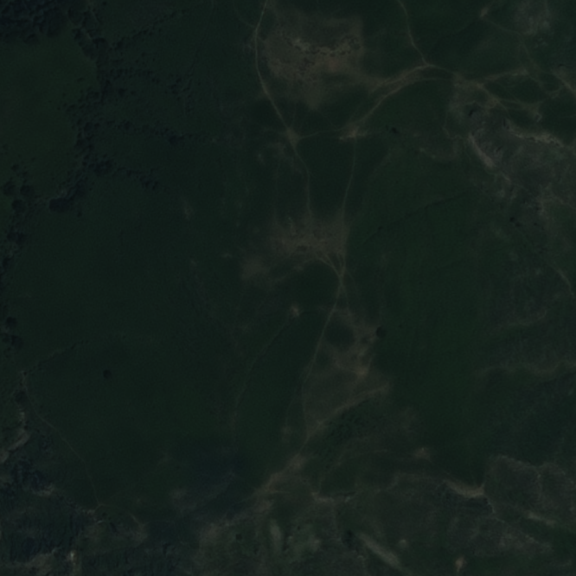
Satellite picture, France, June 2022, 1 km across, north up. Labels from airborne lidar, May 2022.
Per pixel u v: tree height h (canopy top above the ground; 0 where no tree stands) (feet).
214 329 0
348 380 0
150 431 0
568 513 0
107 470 0
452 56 0
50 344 0
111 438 0
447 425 0
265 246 0
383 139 0
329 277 0
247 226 0
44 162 0
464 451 0
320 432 0
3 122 0
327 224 0
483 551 0
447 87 0
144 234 0
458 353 0
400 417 0
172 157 0
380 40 0
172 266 0
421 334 0
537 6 0
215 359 0
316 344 0
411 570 0
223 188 0
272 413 0
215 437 0
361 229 0
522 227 53
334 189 0
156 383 0
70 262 0
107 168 71
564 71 0
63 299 0
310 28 0
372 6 0
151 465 0
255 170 0
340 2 0
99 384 0
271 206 0
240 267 0
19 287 0
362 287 0
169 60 0
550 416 0
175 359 0
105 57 84
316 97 0
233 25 0
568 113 0
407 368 0
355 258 0
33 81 0
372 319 0
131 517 0
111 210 0
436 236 0
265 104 0
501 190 0
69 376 0
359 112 0
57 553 33
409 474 0
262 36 0
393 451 0
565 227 0
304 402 0
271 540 0
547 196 0
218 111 0
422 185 0
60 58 0
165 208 0
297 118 0
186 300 0
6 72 0
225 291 0
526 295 0
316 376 0
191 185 0
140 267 0
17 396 39
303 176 0
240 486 0
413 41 0
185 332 0
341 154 0
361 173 0
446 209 0
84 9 95
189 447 0
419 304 0
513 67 0
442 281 0
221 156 0
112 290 0
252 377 0
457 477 0
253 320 0
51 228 0
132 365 0
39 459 0
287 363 0
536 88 0
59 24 101
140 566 0
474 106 0
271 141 0
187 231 0
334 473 0
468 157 0
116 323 0
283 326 0
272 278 0
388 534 0
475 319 0
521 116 0
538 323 0
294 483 0
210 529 0
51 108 0
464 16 0
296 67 0
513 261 0
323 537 0
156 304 0
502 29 0
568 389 0
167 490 0
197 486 0
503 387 0
